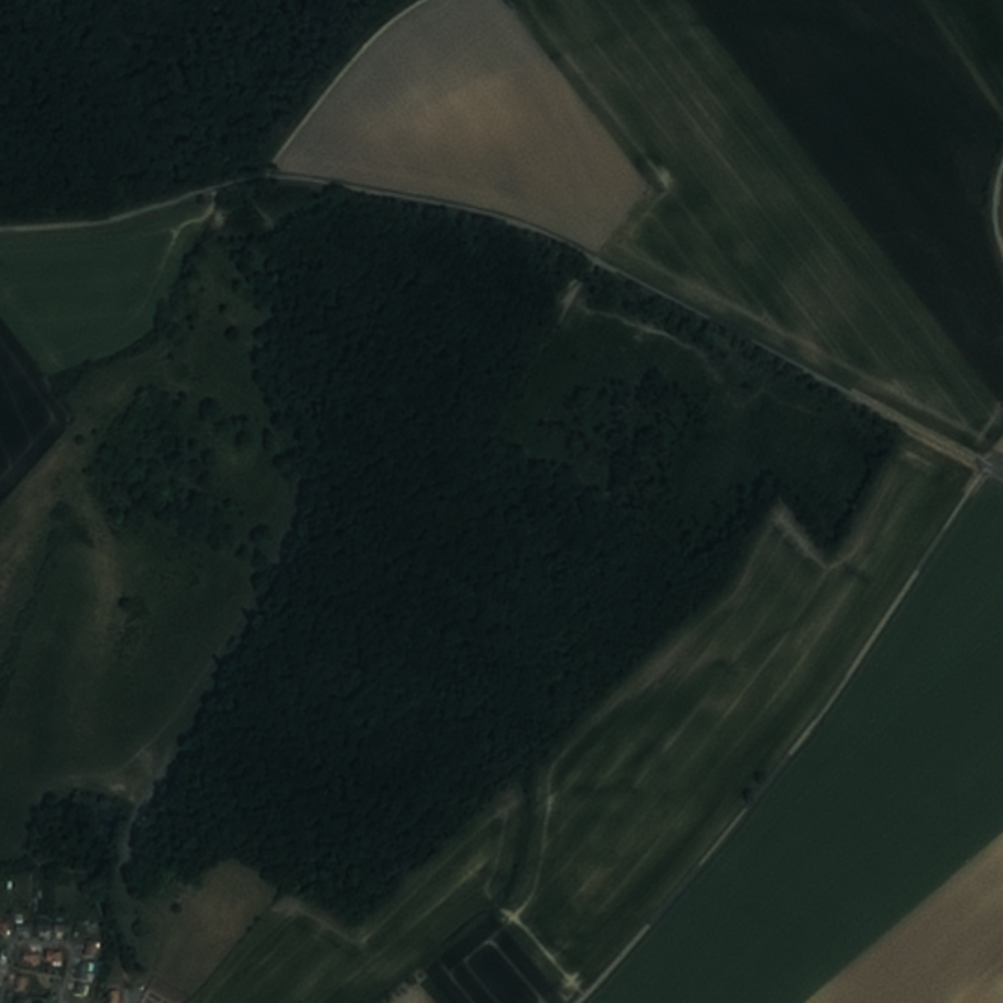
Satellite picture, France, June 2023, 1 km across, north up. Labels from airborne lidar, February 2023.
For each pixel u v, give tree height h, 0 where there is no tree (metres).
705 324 19
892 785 0
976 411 0
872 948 0
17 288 0
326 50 25
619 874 0
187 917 0
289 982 0
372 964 0
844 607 0
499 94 0
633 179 0
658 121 0
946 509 0
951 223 0
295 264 20
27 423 0
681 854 0
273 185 14
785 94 0
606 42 0
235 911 0
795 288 0
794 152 0
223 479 0
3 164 25
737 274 0
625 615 16
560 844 0
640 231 0
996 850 0
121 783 0
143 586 0
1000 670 0
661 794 0
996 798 0
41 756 0
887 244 0
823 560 0
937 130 0
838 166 0
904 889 0
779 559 0
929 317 0
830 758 0
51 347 0
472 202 0
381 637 21
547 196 0
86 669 0
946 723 0
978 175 0
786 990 0
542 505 23
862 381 0
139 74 24
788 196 0
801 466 0
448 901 0
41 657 0
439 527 21
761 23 0
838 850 0
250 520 0
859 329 0
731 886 0
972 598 0
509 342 18
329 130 0
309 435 26
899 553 0
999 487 0
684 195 0
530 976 0
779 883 0
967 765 0
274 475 0
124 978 0
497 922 0
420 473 23
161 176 21
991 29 0
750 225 0
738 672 0
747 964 0
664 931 0
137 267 0
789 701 0
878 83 0
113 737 0
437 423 22
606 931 0
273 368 22
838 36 0
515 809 0
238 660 19
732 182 0
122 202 17
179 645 0
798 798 0
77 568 0
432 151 0
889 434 16
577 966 0
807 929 0
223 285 0
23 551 0
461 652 22
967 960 0
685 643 0
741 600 0
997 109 0
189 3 25
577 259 15
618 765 0
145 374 0
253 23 29
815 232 0
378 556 21
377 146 0
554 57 0
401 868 19
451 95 0
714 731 0
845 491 0
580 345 0
